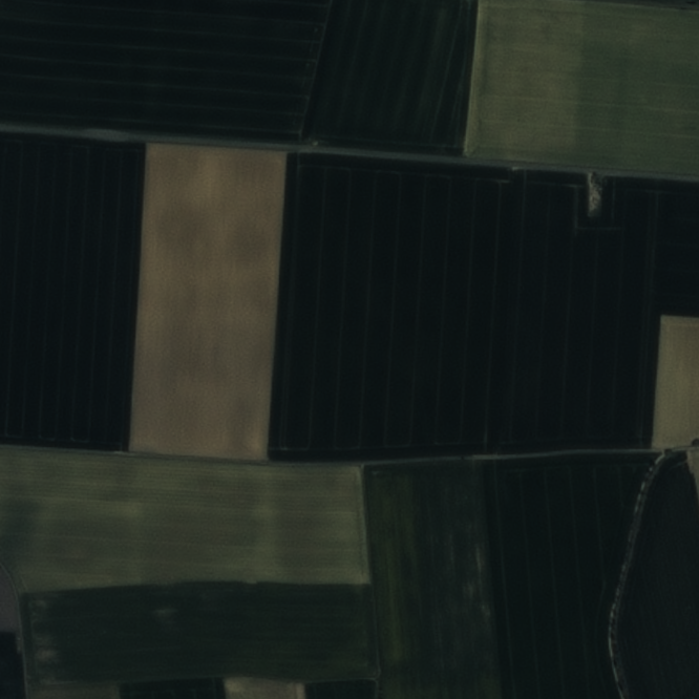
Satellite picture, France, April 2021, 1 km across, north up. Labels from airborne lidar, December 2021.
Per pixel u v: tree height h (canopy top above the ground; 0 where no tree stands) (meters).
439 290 0
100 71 0
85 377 0
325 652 0
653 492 0
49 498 0
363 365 0
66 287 0
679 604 0
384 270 0
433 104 0
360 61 0
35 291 0
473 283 0
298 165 0
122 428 0
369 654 0
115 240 0
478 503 0
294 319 0
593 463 0
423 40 0
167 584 0
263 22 0
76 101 0
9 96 0
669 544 0
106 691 0
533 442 0
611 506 0
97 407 0
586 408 0
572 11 0
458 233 0
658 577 0
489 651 0
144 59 0
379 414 0
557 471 0
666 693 0
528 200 0
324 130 0
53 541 0
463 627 0
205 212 0
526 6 0
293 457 0
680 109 0
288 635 0
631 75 0
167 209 0
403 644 0
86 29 0
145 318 0
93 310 0
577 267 0
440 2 0
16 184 0
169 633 0
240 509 0
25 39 0
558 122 0
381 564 0
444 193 0
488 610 0
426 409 0
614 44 0
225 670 0
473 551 0
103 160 0
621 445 0
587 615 0
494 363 0
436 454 0
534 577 0
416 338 0
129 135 0
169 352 0
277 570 0
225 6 0
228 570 0
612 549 0
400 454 0
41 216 0
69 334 0
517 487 0
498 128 0
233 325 0
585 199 0
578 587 0
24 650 0
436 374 0
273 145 0
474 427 0
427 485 0
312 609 0
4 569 0
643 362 0
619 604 15
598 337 0
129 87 0
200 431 0
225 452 0
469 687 0
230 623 0
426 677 0
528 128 0
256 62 0
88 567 0
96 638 0
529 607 0
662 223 0
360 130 0
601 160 0
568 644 0
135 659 0
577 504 0
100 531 0
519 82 0
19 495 0
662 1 0
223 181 0
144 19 0
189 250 0
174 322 0
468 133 0
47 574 0
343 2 0
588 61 0
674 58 0
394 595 0
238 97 0
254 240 0
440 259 0
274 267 0
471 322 0
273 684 0
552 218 0
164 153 0
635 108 0
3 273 0
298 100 0
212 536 0
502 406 0
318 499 0
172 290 0
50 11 0
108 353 0
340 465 0
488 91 0
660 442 0
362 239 0
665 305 0
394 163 0
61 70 0
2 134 0
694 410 0
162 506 0
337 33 0
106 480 0
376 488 0
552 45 0
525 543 0
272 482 0
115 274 0
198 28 0
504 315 0
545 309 0
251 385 0
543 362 0
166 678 0
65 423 0
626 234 0
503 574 0
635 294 0
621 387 0
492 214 0
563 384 0
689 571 0
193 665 0
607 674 0
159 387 0
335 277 0
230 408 0
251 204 0
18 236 0
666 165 0
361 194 0
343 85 0
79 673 0
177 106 0
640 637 0
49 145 0
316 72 0
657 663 0
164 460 0
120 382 0
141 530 0
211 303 0
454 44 0
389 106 0
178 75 0
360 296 0
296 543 0
